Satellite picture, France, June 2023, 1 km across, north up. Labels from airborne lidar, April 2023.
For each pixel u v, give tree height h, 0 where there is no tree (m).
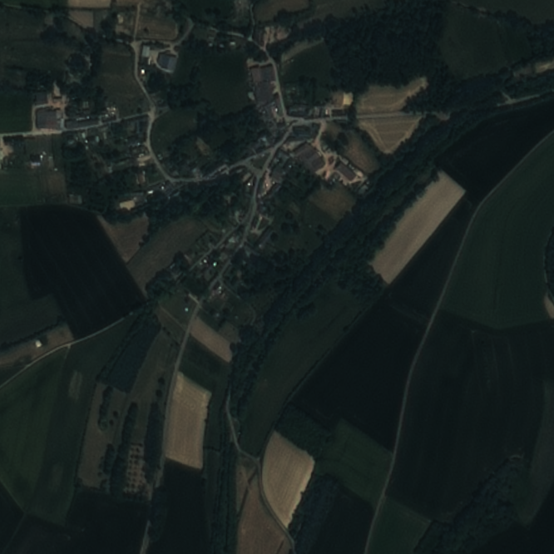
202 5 0
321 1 0
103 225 0
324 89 0
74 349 0
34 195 0
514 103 0
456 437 0
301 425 9
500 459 0
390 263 0
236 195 8
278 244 0
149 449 26
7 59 0
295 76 0
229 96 0
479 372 0
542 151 0
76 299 0
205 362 0
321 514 15
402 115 0
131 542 0
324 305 0
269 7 0
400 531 0
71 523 0
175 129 0
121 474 21
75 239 0
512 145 0
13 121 0
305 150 0
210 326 0
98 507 0
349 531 0
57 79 0
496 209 0
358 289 22
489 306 0
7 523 0
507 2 0
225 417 7
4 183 0
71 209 0
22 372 0
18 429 0
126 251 0
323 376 0
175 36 0
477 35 0
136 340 13
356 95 27
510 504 17
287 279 16
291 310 16
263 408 0
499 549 0
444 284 0
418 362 0
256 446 0
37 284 0
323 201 0
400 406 0
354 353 0
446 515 0
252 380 17
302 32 13
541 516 0
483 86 35
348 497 0
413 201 11
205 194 16
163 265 0
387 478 0
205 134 25
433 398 0
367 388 0
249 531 0
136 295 0
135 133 7
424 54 31
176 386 0
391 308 0
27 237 0
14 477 0
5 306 0
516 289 0
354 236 22
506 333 0
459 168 0
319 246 0
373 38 13
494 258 0
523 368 0
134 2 0
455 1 0
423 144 22
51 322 0
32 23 0
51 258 0
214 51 10
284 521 0
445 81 23
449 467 0
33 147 0
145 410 0
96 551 0
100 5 0
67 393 0
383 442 0
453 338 0
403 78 27
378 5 0
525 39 0
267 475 0
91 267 0
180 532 0
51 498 0
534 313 0
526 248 0
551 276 11
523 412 0
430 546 7
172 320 0
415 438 0
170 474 0
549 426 0
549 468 0
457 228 0
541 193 0
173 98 19
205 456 0
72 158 13
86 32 10
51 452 0
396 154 8
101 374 7
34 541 0
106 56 0
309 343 0
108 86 0
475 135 0
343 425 0
